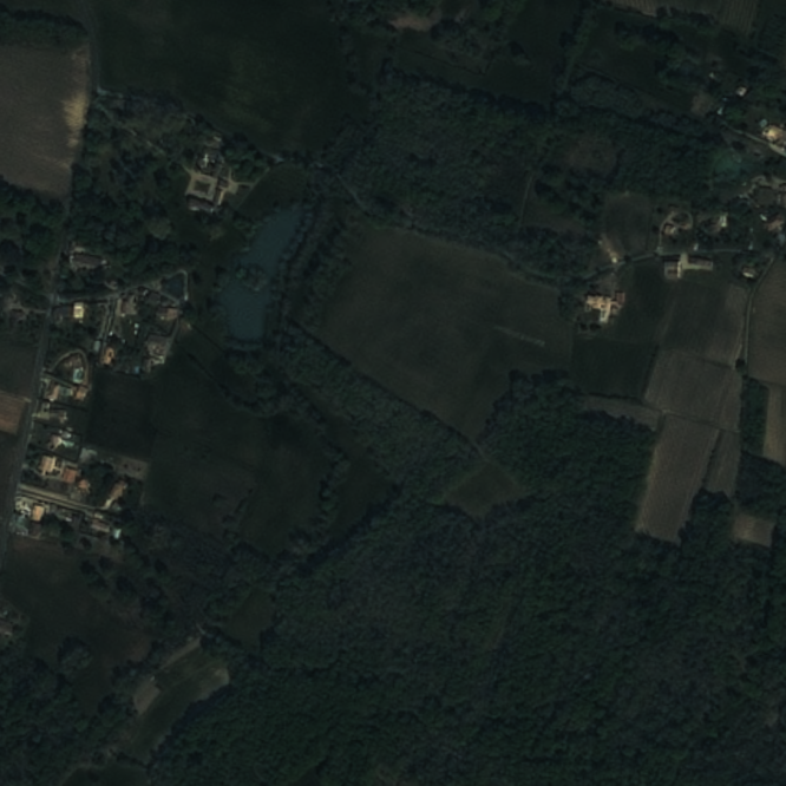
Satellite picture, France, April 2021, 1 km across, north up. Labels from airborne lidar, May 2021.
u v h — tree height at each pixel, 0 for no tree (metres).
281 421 0
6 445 0
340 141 15
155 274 21
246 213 0
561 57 0
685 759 24
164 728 0
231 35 0
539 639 23
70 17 0
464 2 0
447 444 16
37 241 21
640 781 26
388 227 10
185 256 17
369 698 24
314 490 0
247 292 0
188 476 0
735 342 0
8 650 8
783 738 15
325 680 26
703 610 21
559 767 23
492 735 25
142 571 17
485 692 19
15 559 0
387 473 12
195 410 0
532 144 20
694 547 20
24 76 0
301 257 15
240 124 0
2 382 0
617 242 0
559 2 0
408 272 0
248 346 9
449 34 19
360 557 19
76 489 0
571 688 25
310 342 17
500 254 19
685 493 0
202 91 0
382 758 17
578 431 18
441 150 15
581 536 22
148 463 0
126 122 14
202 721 22
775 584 23
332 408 14
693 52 12
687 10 0
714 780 24
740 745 15
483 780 18
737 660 20
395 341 0
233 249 0
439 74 0
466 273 0
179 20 0
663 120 11
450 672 19
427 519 17
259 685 19
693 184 18
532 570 24
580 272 13
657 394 0
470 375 0
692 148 20
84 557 0
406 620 12
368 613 15
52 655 0
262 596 0
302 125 0
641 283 0
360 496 0
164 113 33
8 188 22
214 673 0
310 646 22
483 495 0
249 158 16
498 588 19
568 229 0
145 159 8
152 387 0
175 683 0
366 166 16
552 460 24
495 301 0
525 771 21
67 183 0
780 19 6
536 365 0
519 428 22
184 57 0
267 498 0
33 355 0
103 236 17
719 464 0
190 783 22
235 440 0
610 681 27
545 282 11
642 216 0
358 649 21
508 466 25
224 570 21
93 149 19
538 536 23
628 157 17
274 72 0
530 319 0
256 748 21
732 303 0
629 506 17
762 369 0
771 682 15
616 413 0
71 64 0
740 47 8
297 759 18
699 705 22
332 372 18
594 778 25
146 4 0
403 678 21
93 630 0
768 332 0
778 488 21
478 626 15
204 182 0
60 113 0
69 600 0
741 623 24
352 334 0
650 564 21
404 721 20
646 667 25
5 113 0
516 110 25
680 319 0
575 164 0
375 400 13
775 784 24
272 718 19
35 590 0
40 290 15
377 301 0
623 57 0
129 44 0
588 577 16
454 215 16
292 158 14
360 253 0
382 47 0
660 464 0
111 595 21
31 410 0
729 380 0
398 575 16
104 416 0
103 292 15
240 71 0
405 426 16
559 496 20
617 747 23
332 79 0
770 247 12
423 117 13
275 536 0
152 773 14
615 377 0
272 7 0
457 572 22
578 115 19
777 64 12
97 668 0
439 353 0
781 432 0
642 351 0
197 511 0
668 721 13
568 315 14
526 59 19
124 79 0
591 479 24
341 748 24
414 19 0
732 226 13
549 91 0
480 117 27
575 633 22
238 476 0
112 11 0
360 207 18
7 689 19
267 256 0
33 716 17
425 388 0
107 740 15
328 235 0
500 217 21
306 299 0
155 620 19
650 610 24
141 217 13
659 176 16
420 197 18
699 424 0
